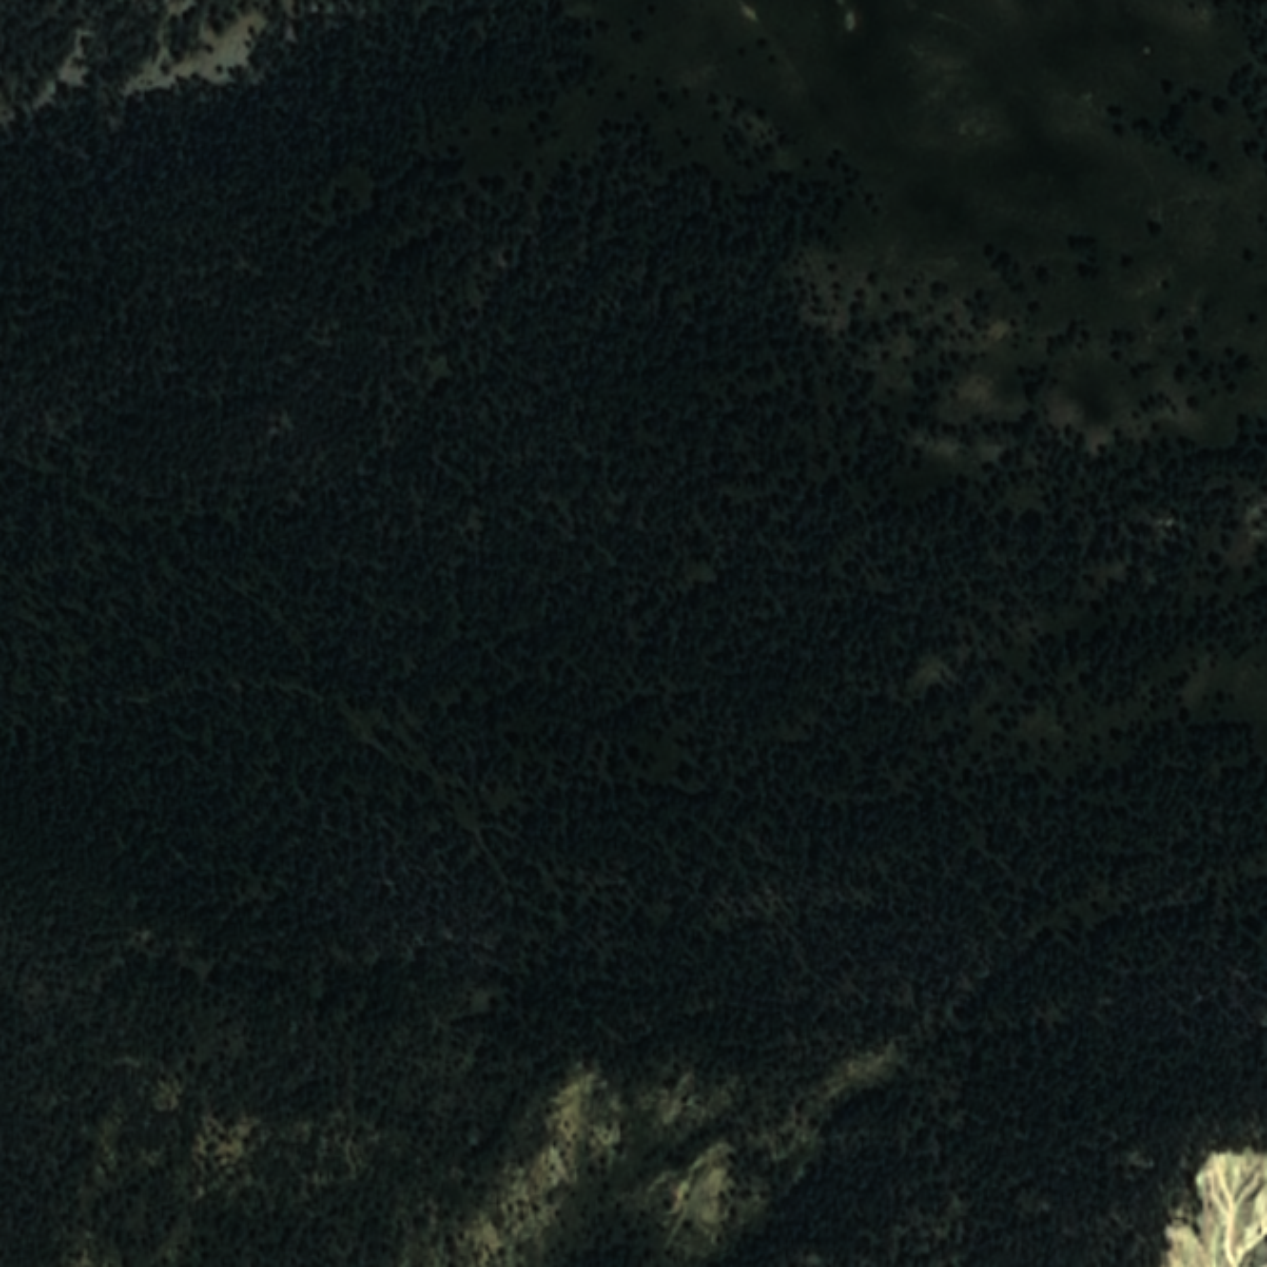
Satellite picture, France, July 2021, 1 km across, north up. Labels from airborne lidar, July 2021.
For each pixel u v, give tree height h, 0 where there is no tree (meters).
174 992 13
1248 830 10
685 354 21
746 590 16
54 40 16
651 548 16
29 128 24
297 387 11
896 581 8
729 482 14
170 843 7
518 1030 10
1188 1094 14
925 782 13
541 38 17
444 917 16
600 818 15
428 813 15
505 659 14
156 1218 6
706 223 20
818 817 21
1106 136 0
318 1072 10
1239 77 10
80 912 12
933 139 0
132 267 16
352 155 18
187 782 18
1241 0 11
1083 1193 14
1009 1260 16
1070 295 0
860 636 11
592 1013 11
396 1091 6
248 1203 13
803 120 0
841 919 16
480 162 0
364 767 18
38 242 16
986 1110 9
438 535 12
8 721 9
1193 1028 15
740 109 9
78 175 23
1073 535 16
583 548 15
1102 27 0
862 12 0
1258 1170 0
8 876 12
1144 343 0
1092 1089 17
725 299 16
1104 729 0
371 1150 8
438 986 11
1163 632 17
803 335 15
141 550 17
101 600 9
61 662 15
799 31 0
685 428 18
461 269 13
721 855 16
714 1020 11
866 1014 11
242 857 18
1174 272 0
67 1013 7
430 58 14
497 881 23
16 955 7
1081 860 18
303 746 19
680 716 17
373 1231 7
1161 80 0
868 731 21
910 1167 14
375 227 21
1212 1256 0
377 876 16
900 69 0
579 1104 0
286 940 8
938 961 19
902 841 21
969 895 18
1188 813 12
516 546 18
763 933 14
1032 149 0
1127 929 21
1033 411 10
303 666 12
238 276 10
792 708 19
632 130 12
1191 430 0
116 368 12
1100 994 16
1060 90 0
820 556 19
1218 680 0
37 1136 12
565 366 15
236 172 17
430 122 9
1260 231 0
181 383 18
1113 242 0
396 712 13
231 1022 10
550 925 16
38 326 12
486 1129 12
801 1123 8
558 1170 0
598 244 15
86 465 10
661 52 0
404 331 15
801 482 13
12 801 15
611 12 0
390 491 11
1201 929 22
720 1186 0
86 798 14
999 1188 9
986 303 8
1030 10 0
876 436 7
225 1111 12
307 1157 7
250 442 18
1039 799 13
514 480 18
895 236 0
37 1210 13
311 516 8
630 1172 0
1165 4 0
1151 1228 11
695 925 11
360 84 18
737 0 0
